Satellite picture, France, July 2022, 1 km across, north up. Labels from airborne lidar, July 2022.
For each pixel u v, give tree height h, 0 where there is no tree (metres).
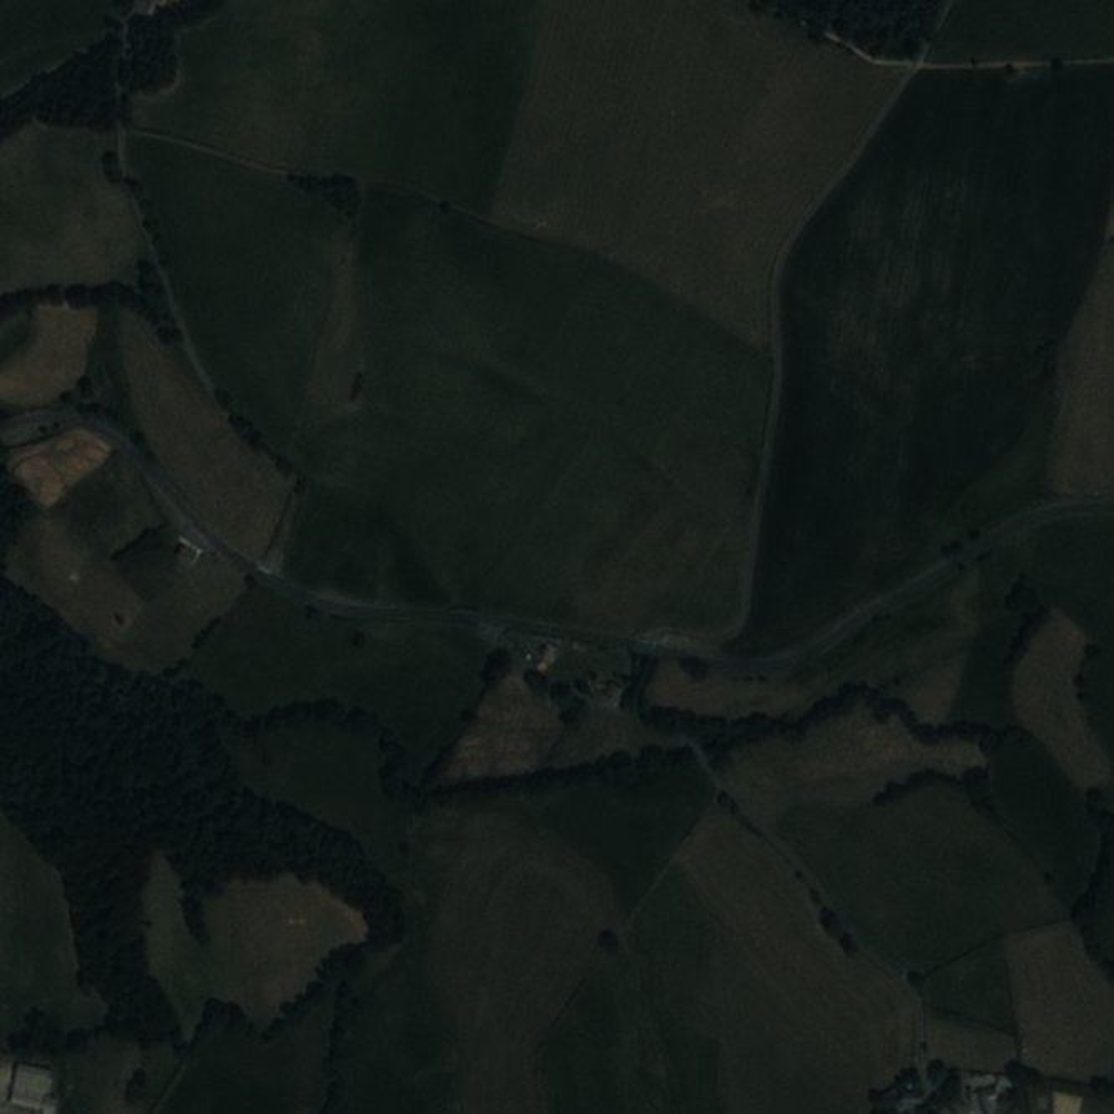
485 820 0
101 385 0
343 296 0
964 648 0
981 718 0
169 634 0
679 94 0
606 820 0
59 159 0
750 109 0
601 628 0
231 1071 0
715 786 0
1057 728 0
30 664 28
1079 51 0
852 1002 0
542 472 0
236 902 0
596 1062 0
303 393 0
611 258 0
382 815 0
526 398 0
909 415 0
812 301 0
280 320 0
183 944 0
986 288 0
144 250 0
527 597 0
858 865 0
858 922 0
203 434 0
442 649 0
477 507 0
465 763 0
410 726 0
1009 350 0
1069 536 0
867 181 0
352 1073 0
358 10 0
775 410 0
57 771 24
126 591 0
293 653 0
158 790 24
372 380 0
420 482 0
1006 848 0
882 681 0
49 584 0
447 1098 0
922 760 0
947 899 0
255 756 0
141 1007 27
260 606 0
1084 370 0
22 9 0
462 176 0
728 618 0
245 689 0
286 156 0
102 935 30
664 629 0
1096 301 0
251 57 0
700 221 0
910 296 0
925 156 0
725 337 0
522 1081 0
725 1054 0
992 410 0
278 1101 0
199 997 0
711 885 0
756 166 0
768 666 0
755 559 0
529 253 0
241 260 0
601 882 0
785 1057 0
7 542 14
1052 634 0
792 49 0
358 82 0
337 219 0
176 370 0
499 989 0
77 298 18
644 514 0
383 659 0
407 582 0
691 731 19
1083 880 0
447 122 0
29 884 0
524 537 0
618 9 0
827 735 0
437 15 0
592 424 0
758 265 0
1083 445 0
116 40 18
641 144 0
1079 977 0
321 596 0
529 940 0
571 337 0
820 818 0
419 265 0
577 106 0
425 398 0
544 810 0
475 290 0
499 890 0
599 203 0
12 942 0
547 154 0
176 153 0
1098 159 0
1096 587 0
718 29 0
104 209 0
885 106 0
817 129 0
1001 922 0
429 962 0
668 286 0
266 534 0
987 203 0
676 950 0
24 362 0
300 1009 15
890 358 0
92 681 30
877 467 0
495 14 0
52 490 0
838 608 0
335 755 0
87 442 0
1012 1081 19
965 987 0
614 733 0
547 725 0
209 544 0
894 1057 0
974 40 0
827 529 0
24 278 0
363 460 0
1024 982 0
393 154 0
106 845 25
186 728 17
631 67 0
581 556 0
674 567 0
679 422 0
